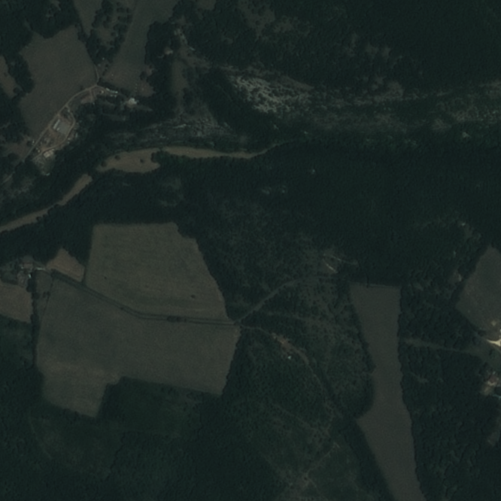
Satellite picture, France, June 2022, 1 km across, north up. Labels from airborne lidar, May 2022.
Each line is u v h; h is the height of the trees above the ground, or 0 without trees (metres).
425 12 13
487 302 0
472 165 12
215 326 0
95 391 0
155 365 0
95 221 11
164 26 10
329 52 10
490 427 13
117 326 0
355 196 10
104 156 8
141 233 0
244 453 7
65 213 14
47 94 0
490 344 0
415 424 12
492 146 7
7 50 14
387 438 0
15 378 11
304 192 7
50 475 13
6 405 8
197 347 0
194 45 9
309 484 0
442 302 9
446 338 13
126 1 0
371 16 11
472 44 11
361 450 13
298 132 5
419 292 10
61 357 0
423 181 11
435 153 16
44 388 0
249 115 11
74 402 0
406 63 10
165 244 0
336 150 14
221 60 11
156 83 11
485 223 9
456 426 14
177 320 7
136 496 13
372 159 10
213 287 0
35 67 0
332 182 9
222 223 8
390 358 0
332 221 6
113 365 0
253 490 9
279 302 9
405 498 0
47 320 0
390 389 0
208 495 11
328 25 8
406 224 11
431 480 12
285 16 6
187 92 7
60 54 0
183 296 0
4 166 11
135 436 14
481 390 14
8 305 0
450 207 8
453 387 13
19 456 9
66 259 0
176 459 9
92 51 13
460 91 8
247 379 11
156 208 8
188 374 0
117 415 8
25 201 8
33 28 17
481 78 9
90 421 14
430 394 12
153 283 0
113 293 0
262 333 7
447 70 12
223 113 11
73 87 0
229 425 11
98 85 8
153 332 0
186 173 11
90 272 0
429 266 6
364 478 14
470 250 8
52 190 11
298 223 7
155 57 12
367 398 7
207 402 9
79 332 0
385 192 11
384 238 12
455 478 12
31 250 12
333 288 7
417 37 11
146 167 0
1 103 16
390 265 10
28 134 9
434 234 8
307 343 7
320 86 8
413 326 9
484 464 11
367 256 8
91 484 13
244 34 9
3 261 12
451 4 13
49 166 0
